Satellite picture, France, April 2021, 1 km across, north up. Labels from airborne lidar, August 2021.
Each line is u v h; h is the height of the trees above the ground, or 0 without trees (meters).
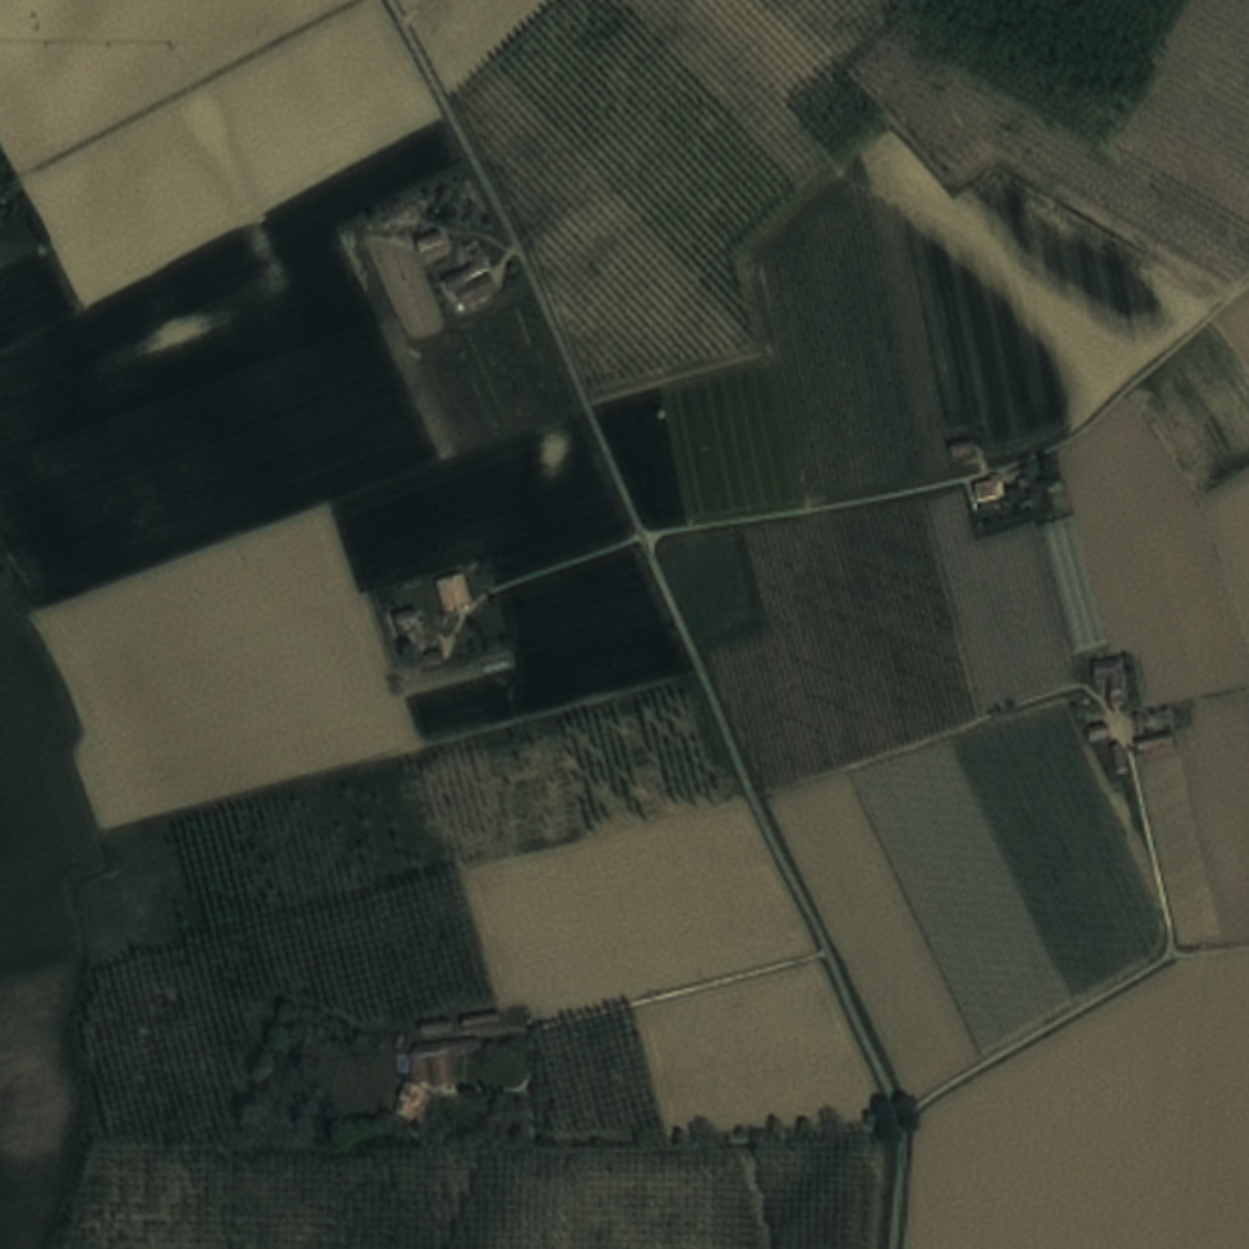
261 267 0
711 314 15
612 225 19
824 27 18
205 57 0
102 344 0
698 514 0
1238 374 0
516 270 8
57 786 0
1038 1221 0
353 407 0
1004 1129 0
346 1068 0
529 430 0
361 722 0
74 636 0
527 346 0
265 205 0
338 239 0
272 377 0
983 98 22
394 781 0
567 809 0
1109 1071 0
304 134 0
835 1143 15
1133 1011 0
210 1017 19
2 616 0
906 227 0
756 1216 22
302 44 0
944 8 22
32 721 0
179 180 0
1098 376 0
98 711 0
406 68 0
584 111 13
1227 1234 0
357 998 18
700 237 18
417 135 0
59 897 0
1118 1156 0
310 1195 18
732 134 22
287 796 0
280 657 0
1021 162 23
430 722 0
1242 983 0
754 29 18
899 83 24
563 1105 20
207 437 0
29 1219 0
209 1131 19
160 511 0
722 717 0
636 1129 17
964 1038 0
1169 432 0
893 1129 15
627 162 21
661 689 0
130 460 0
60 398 0
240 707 0
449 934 21
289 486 0
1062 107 22
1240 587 0
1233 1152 0
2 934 0
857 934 0
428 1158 21
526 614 0
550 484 0
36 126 0
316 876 14
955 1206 0
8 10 0
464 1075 0
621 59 15
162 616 0
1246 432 0
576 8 17
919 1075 0
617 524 0
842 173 0
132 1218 15
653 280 18
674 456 0
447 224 10
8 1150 0
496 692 0
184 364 0
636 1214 22
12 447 0
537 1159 21
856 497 0
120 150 0
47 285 0
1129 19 27
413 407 0
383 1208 17
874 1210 21
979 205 0
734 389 0
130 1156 18
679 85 15
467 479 0
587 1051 19
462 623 0
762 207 18
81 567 0
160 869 0
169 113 0
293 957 15
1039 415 0
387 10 0
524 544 0
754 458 0
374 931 19
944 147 23
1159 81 20
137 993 19
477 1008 23
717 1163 21
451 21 0
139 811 0
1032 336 0
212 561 0
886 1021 0
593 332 18
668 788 14
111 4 0
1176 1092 0
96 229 0
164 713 0
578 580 0
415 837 0
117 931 0
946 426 0
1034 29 26
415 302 0
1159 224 23
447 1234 20
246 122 0
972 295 0
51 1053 0
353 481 0
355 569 0
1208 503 0
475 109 16
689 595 0
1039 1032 0
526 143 18
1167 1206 0
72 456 0
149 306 0
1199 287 0
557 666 0
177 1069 20
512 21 0
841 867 0
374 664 0
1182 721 11
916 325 0
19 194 13
